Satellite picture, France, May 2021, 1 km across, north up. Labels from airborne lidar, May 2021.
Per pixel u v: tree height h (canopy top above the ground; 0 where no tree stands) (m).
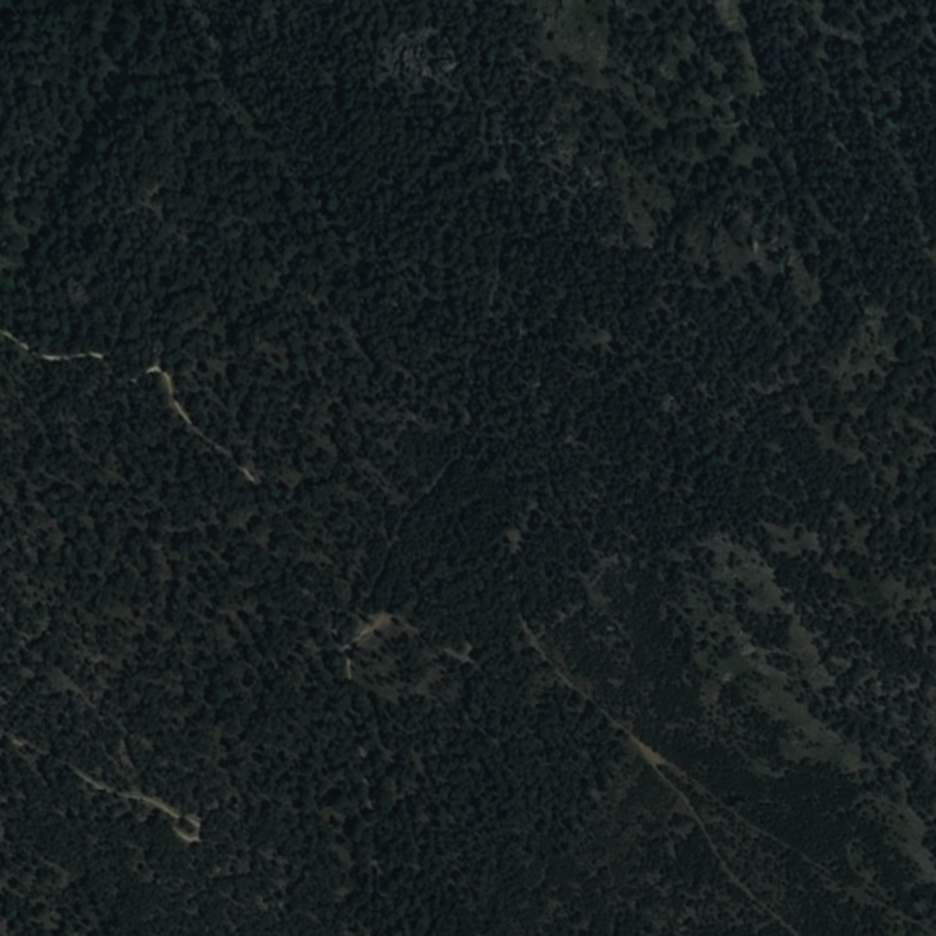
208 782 19
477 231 23
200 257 16
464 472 17
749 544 8
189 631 32
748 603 14
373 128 32
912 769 19
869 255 17
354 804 33
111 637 34
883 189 17
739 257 0
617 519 15
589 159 19
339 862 36
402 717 29
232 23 22
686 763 11
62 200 28
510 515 17
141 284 36
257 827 27
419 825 26
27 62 17
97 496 35
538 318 18
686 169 22
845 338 11
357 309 29
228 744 8
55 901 7
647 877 6
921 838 0
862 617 13
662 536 21
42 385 12
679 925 6
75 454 33
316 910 28
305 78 19
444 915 15
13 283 21
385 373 30
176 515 27
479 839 26
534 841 8
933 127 21
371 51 12
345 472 30
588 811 30
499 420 26
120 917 26
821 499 19
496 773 31
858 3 24
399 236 28
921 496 18
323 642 31
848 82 18
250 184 33
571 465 19
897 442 22
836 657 15
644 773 6
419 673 25
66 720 21
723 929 7
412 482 10
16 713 26
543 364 10
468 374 25
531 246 15
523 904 11
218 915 21
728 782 10
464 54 16
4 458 16
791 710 0
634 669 7
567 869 12
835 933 12
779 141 20
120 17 16
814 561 16
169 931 22
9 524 25
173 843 21
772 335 14
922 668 21
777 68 22
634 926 19
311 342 30
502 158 19
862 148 23
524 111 16
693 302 18
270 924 26
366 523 18
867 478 20
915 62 14
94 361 13
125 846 28
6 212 30
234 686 35
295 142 20
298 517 34
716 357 17
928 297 19
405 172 31
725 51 27
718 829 8
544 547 22
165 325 21
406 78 11
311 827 39
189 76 27
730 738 6
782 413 18
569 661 9
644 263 17
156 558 33
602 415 17
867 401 19
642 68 17
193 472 31
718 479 21
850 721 19
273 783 29
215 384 19
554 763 25
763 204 8
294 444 34
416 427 16
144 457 33
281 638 39
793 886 9
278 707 35
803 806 11
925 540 23
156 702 36
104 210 11
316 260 16
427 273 17
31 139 15
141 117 21
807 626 8
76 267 25
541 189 17
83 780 20
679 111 29
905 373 28
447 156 12
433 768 26
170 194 30
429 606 27
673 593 8
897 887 12
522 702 25
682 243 16
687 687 11
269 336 37
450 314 21
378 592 18
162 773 24
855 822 12
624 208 9
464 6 14
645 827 9
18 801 23
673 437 17
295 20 14
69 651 24
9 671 27
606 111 22
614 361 16
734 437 15
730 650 7
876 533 16
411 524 17
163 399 25
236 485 26
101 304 22
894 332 23
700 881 13
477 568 26
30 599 22
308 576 38
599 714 24
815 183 27
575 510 14
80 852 28
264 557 37
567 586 20
